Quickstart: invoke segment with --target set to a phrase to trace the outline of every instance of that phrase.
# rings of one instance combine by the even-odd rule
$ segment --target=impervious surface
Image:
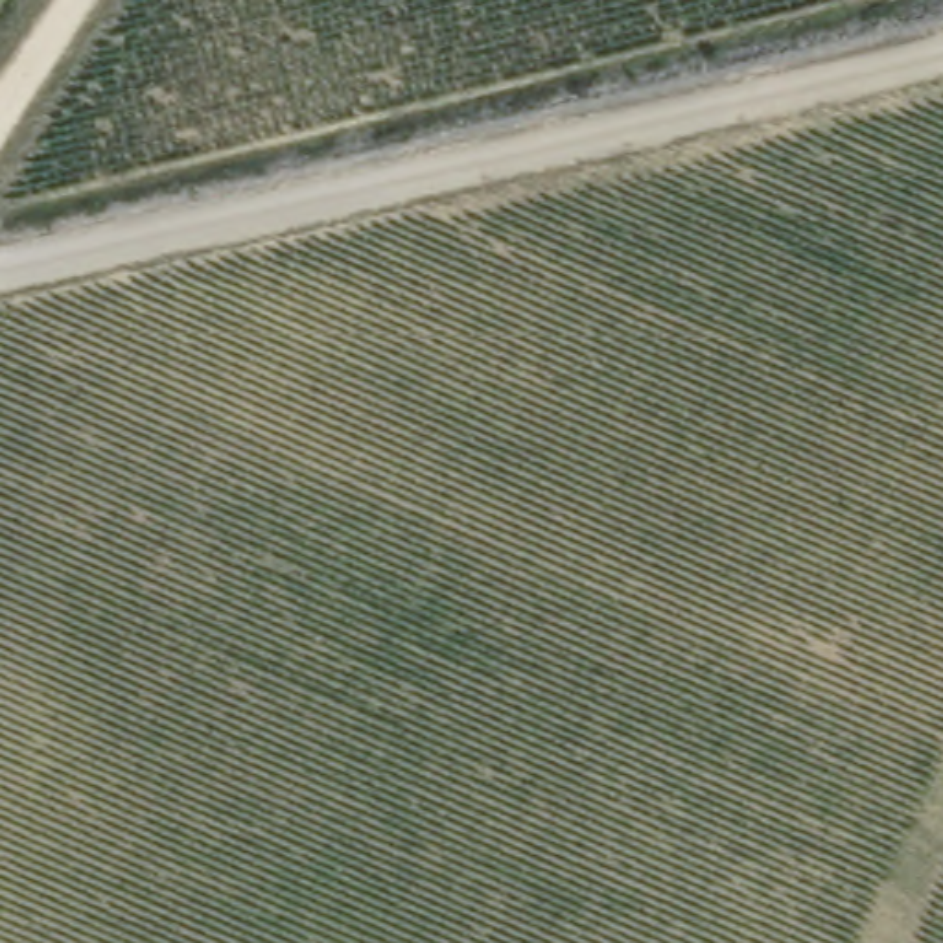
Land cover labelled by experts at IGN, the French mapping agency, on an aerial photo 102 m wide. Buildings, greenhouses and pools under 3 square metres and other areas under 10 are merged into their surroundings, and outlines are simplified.
[[[729,122],[803,111],[814,103],[851,99],[877,88],[895,88],[906,81],[943,74],[943,29],[932,41],[917,41],[906,48],[774,77],[744,74],[744,85],[663,99],[619,114],[564,122],[545,107],[534,111],[541,118],[541,129],[508,140],[435,144],[424,155],[405,155],[398,144],[376,147],[368,155],[309,162],[298,169],[273,169],[265,177],[221,180],[180,195],[122,203],[103,214],[55,221],[52,228],[26,228],[18,243],[0,247],[0,306],[29,306],[55,295],[81,295],[88,287],[129,284],[136,276],[166,269],[210,265],[232,254],[346,236],[398,217],[446,221],[472,210],[497,210],[519,199],[564,195],[582,184],[630,180],[645,169],[626,147],[648,147]]]

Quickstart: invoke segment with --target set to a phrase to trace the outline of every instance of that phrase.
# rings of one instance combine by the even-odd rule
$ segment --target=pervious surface
[[[744,74],[774,77],[906,48],[917,41],[932,41],[943,29],[943,18],[884,18],[877,26],[851,22],[840,33],[803,37],[796,52],[770,55],[763,63],[707,66],[696,74],[685,70],[681,77],[652,85],[593,85],[586,96],[556,96],[545,107],[564,122],[619,114],[663,99],[744,85]]]
[[[29,99],[37,96],[37,88],[63,59],[63,52],[70,48],[74,33],[96,7],[96,0],[52,0],[0,74],[0,147],[18,125]]]
[[[424,155],[435,144],[508,140],[541,129],[541,118],[534,111],[475,125],[435,129],[398,144],[405,155]]]

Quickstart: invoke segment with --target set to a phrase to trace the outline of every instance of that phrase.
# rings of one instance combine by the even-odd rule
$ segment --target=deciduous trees
[[[0,0],[0,74],[52,0]]]

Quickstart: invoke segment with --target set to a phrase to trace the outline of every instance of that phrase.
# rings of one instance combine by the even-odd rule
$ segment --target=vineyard
[[[895,88],[877,88],[851,99],[814,103],[803,111],[729,122],[648,147],[626,147],[645,169],[630,180],[582,184],[564,195],[519,199],[497,210],[472,210],[446,221],[398,217],[346,236],[232,254],[210,265],[166,269],[136,276],[129,284],[88,287],[81,295],[55,295],[29,306],[0,306],[0,943],[943,943],[943,74],[906,81]]]
[[[26,228],[52,228],[55,221],[103,214],[122,203],[180,195],[221,180],[265,177],[273,169],[298,169],[309,162],[368,155],[376,147],[398,144],[435,129],[475,125],[534,111],[545,107],[556,96],[586,96],[593,85],[652,85],[681,77],[685,70],[696,74],[707,66],[763,63],[770,55],[796,52],[803,37],[840,33],[851,22],[877,26],[884,18],[943,18],[943,0],[96,0],[96,7],[74,33],[70,48],[63,52],[63,59],[37,88],[37,96],[29,99],[18,125],[0,147],[0,247],[18,243]]]

